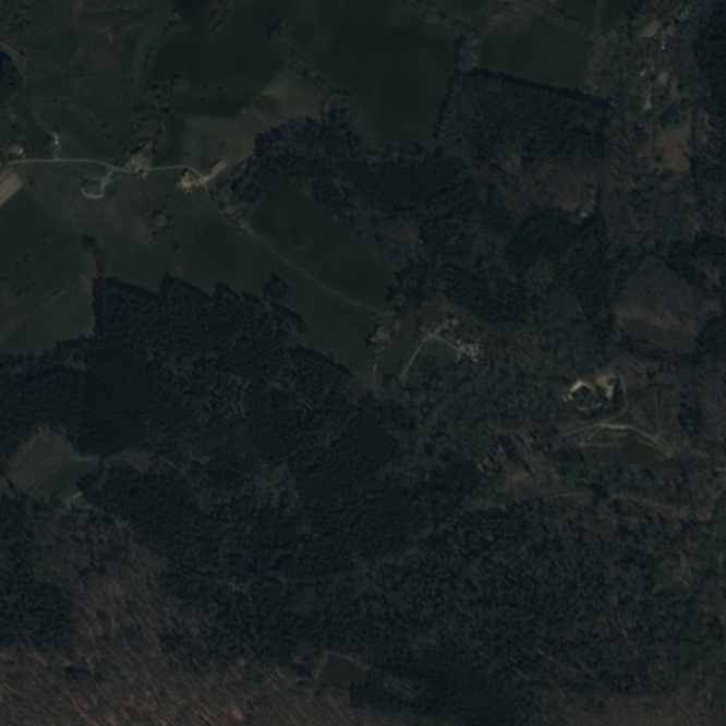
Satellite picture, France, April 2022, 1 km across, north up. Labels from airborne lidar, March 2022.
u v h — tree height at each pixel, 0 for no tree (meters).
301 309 0
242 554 22
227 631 25
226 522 22
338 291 0
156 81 0
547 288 12
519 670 26
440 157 7
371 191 22
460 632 25
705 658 8
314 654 21
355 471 23
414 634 27
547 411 18
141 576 26
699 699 26
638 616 10
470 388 16
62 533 25
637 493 16
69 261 0
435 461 25
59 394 24
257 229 0
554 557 25
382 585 6
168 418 14
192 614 20
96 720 22
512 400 21
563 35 0
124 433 13
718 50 29
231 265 0
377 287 0
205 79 0
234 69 0
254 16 0
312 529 25
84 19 0
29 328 0
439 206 33
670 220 26
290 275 0
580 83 0
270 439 25
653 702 23
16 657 30
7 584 23
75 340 0
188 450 13
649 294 33
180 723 26
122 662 26
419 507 15
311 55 0
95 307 0
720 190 25
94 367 20
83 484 0
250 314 29
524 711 22
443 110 0
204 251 0
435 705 22
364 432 26
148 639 27
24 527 26
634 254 28
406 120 0
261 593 25
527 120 25
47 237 7
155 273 0
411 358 0
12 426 27
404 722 34
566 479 25
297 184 25
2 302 0
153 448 12
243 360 23
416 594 21
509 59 0
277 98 0
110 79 0
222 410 31
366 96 0
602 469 0
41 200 0
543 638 22
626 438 0
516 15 0
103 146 0
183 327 31
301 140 27
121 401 17
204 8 25
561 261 20
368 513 20
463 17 0
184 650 23
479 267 9
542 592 29
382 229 36
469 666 19
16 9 17
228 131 0
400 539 22
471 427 17
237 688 21
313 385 28
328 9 0
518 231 23
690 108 14
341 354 0
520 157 25
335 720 31
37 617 24
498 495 15
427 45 0
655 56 13
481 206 25
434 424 21
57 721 29
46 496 0
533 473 0
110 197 0
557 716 25
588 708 24
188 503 28
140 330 35
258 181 17
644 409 0
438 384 8
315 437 32
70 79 0
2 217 0
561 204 26
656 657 26
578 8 0
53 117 0
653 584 12
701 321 30
